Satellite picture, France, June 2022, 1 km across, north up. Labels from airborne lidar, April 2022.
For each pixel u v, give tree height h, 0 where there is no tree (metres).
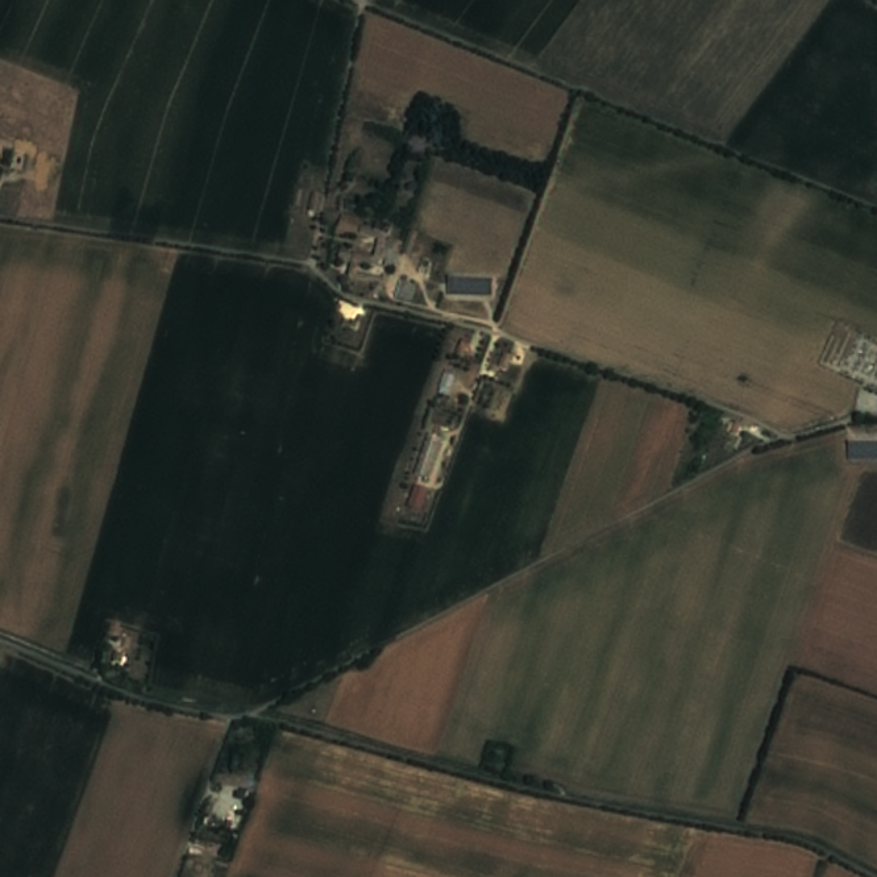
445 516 0
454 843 0
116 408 0
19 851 0
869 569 0
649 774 0
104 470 0
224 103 0
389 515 0
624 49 0
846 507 0
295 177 0
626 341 0
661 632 0
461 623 0
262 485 0
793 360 0
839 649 0
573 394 0
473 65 0
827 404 0
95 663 7
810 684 0
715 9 0
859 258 0
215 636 0
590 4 0
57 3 0
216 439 0
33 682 0
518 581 0
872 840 0
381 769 0
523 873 0
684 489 0
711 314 0
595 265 0
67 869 0
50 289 0
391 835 0
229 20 0
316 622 0
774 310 0
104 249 0
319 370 0
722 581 0
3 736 0
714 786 0
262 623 0
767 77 0
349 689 0
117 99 0
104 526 0
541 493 0
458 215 0
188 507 0
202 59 0
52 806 0
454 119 15
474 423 0
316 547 0
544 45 0
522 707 0
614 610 0
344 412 0
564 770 0
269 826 0
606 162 0
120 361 0
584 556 0
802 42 0
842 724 0
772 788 0
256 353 0
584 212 0
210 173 0
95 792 0
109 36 0
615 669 0
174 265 0
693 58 0
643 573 0
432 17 0
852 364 0
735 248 0
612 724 0
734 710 0
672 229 0
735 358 0
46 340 0
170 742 0
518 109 0
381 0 0
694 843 0
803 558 0
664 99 0
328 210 0
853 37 0
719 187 0
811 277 0
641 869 0
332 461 0
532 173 13
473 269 0
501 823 0
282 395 0
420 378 0
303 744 0
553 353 9
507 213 0
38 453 0
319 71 0
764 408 0
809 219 0
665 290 0
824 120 0
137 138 0
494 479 0
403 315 8
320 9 0
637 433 0
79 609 0
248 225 0
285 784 0
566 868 0
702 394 0
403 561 0
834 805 0
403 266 0
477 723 0
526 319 0
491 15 0
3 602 0
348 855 0
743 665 0
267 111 0
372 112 0
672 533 0
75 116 0
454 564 0
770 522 0
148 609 0
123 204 0
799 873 0
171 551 0
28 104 0
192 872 0
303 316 0
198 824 7
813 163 0
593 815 0
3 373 0
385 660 0
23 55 0
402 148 8
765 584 0
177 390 0
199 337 0
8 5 0
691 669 0
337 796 0
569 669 0
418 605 0
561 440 0
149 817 0
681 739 0
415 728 0
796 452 0
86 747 0
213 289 0
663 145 0
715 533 0
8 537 0
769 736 12
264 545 0
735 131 0
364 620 0
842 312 0
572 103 7
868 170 0
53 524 0
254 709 0
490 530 0
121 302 0
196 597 0
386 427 0
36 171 0
